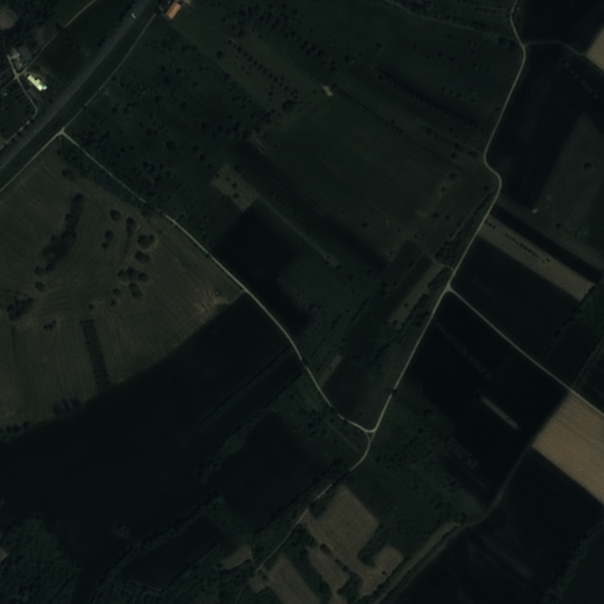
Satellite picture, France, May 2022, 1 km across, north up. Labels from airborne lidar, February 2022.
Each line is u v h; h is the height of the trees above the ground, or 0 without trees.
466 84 0
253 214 0
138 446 0
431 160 0
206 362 0
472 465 8
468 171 0
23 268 0
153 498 0
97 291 0
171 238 0
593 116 0
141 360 0
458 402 0
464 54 0
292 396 8
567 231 0
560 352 0
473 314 0
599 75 0
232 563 0
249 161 0
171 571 0
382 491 0
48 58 0
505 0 0
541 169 0
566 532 0
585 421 0
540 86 0
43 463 0
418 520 0
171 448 0
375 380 0
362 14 0
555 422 0
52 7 15
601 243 0
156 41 0
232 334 0
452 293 0
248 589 6
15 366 0
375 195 0
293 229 0
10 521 0
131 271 12
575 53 0
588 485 0
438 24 0
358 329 0
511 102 0
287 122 0
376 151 0
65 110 0
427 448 0
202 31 0
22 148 0
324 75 0
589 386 0
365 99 0
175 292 0
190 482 0
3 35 16
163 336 0
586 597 0
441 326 6
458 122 0
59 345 0
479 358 0
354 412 0
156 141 0
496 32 0
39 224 0
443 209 0
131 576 0
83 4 0
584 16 0
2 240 0
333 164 0
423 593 0
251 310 0
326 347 0
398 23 0
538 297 0
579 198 0
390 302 0
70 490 0
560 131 0
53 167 0
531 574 0
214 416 6
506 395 0
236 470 0
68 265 0
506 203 0
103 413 0
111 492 0
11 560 8
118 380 0
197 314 0
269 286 0
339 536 0
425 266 0
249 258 0
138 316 0
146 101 0
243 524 5
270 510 0
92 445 0
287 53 0
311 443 0
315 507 8
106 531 0
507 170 0
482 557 0
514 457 0
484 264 0
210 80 0
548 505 0
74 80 0
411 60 0
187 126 0
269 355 0
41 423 0
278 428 0
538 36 0
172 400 0
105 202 0
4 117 0
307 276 0
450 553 0
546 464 0
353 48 0
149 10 0
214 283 0
